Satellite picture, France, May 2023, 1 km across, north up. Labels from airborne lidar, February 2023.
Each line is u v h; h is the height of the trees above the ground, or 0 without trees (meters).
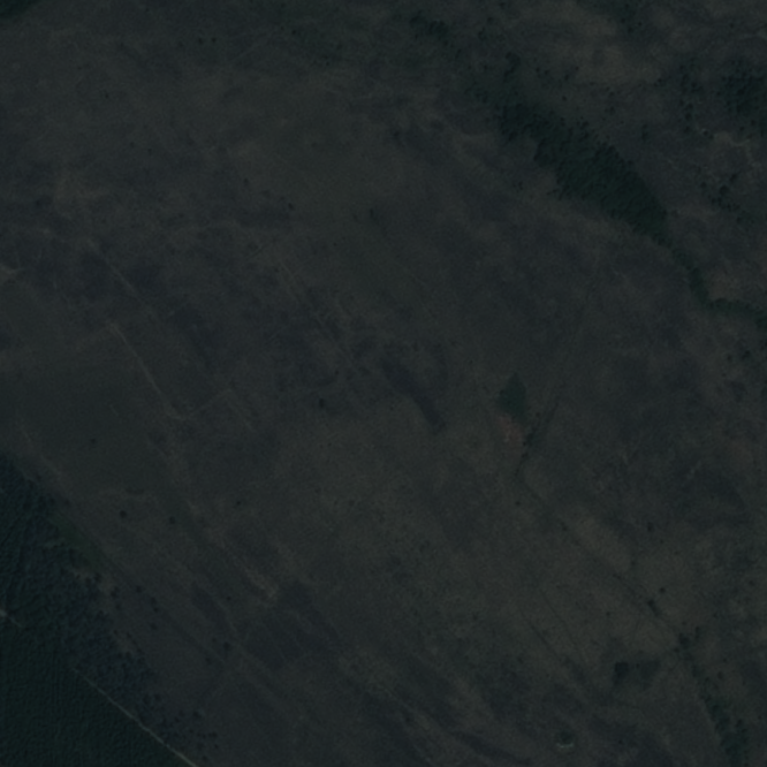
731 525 0
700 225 0
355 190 0
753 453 0
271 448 0
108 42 0
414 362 0
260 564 0
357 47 0
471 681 0
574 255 0
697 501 0
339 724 0
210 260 0
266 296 0
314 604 0
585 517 0
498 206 0
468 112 0
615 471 0
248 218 0
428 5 0
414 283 0
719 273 0
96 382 0
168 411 0
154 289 0
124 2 0
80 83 0
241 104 0
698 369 0
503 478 0
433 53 0
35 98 0
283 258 0
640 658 0
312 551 0
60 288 0
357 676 0
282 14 0
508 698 0
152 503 0
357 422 0
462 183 0
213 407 0
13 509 13
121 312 0
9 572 14
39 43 0
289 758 0
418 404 0
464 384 0
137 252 0
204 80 0
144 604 0
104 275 0
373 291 0
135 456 0
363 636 0
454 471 0
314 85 0
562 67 0
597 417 0
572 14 0
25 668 15
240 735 0
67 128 0
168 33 0
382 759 0
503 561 0
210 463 0
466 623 0
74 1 0
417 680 0
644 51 0
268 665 0
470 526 0
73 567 14
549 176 0
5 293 0
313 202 0
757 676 0
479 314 0
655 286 0
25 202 0
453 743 0
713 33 0
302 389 0
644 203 13
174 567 0
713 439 0
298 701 0
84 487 0
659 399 0
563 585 0
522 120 10
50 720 8
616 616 0
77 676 9
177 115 0
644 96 0
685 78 8
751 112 12
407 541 0
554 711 0
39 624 20
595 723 0
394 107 0
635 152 0
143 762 10
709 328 0
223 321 0
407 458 0
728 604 0
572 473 0
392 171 0
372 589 0
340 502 0
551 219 0
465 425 0
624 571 0
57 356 0
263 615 0
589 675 0
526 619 0
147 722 20
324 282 0
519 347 0
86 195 0
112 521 0
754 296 0
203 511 0
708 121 0
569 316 0
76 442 0
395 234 0
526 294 0
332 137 0
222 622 0
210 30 0
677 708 0
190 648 0
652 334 0
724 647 0
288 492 0
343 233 0
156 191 0
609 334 0
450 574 0
